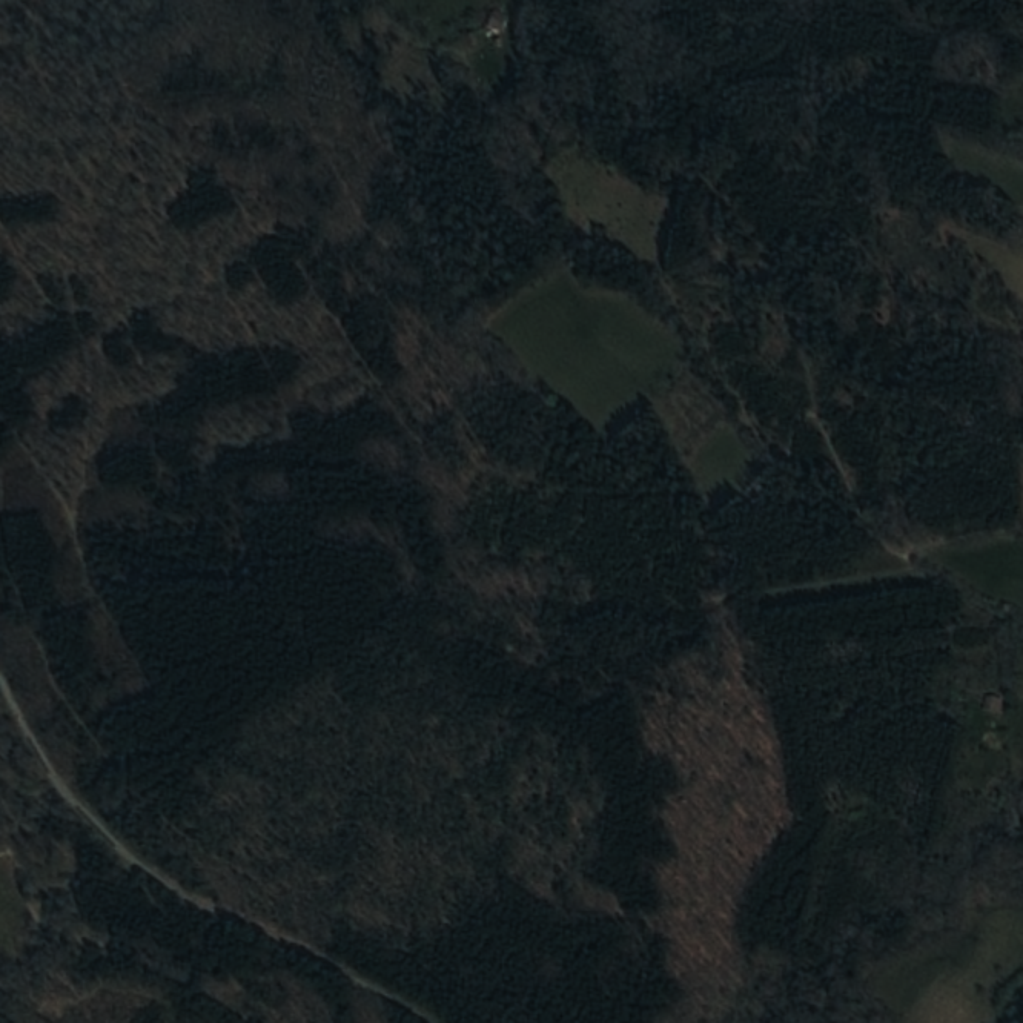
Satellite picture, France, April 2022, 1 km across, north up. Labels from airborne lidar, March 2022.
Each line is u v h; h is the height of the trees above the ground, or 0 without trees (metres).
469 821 24
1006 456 23
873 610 31
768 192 8
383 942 23
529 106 29
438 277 22
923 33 23
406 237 23
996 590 0
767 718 27
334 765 22
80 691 22
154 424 17
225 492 22
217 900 19
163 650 29
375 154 11
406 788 22
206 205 19
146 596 33
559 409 27
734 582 24
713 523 27
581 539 12
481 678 26
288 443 27
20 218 20
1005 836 20
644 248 0
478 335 27
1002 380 23
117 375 15
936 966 0
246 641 27
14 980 27
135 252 22
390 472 27
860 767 31
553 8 26
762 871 26
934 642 26
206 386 17
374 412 21
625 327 0
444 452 26
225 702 23
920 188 27
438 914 21
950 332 8
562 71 28
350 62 25
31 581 21
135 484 22
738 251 29
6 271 19
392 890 24
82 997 34
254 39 19
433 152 28
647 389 0
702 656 26
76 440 30
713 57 28
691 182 23
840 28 23
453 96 27
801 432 9
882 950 22
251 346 20
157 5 33
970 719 15
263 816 21
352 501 35
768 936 22
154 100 14
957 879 25
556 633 27
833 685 27
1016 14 30
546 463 31
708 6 31
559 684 13
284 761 20
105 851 16
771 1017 22
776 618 30
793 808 26
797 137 22
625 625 26
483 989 20
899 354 6
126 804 8
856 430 9
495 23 0
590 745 27
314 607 29
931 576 19
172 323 22
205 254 18
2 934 0
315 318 21
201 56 17
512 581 21
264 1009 21
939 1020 0
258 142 9
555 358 0
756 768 32
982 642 8
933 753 33
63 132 30
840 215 6
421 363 19
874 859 15
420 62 0
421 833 19
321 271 20
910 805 26
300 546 27
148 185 21
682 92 18
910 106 19
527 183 23
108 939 24
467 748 21
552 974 24
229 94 12
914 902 15
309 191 16
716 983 30
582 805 19
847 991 28
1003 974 9
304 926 22
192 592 28
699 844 28
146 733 25
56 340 22
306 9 23
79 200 23
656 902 29
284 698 18
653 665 25
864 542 27
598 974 25
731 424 14
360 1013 28
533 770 16
